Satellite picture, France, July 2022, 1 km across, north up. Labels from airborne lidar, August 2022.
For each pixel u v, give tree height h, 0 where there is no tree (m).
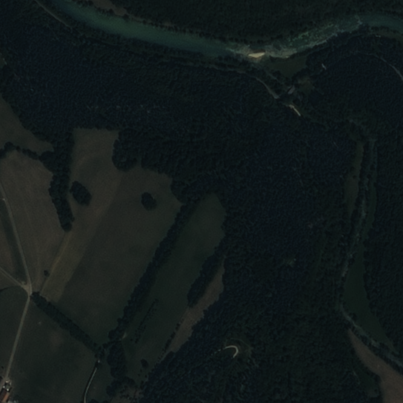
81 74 34
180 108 14
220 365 17
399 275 20
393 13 11
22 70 28
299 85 17
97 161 0
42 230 0
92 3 13
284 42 0
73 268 0
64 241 0
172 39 0
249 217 25
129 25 0
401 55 29
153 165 24
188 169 26
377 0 22
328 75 17
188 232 0
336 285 16
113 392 23
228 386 21
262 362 27
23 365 0
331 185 37
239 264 27
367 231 0
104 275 0
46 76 31
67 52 32
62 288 0
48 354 0
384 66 25
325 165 31
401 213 16
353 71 21
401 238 22
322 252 20
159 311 0
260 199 38
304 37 0
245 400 24
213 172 27
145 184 0
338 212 24
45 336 0
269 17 8
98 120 25
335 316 8
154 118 31
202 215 0
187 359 28
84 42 24
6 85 20
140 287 17
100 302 0
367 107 19
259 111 14
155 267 19
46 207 0
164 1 13
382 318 17
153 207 13
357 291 0
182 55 6
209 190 15
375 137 19
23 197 0
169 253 15
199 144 15
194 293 18
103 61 28
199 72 18
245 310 27
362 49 21
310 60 20
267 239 29
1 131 0
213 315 27
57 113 31
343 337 9
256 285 36
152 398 28
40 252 0
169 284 0
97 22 0
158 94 19
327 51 17
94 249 0
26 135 0
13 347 0
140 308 20
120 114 30
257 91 11
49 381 0
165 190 0
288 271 24
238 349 0
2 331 0
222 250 20
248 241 33
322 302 27
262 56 0
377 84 25
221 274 0
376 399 10
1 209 0
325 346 24
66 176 23
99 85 35
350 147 26
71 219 21
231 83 12
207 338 33
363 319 0
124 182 0
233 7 12
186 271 0
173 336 9
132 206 0
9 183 0
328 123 20
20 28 16
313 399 25
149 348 0
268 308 25
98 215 0
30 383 0
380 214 20
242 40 8
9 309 0
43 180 0
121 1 23
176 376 27
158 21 16
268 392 20
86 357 0
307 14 10
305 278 19
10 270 0
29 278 0
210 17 16
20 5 14
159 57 21
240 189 33
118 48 14
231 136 21
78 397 0
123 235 0
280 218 38
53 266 0
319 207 23
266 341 26
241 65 10
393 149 12
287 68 0
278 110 24
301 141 33
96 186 0
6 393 0
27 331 0
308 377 17
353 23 0
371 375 9
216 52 0
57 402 0
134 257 0
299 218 33
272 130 36
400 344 18
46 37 31
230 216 9
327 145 35
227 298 23
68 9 0
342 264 24
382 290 22
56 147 17
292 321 31
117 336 16
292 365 22
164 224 0
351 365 7
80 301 0
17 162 0
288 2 11
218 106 15
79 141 0
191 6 11
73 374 0
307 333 18
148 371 0
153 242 0
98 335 0
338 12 20
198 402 25
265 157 33
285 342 24
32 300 12
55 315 18
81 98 34
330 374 17
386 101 27
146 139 17
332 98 20
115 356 21
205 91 19
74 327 19
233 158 16
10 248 0
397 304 20
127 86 21
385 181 22
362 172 16
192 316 0
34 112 31
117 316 0
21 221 0
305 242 35
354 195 0
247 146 10
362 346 0
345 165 33
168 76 20
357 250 5
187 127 7
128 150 27
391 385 0
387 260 20
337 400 21
